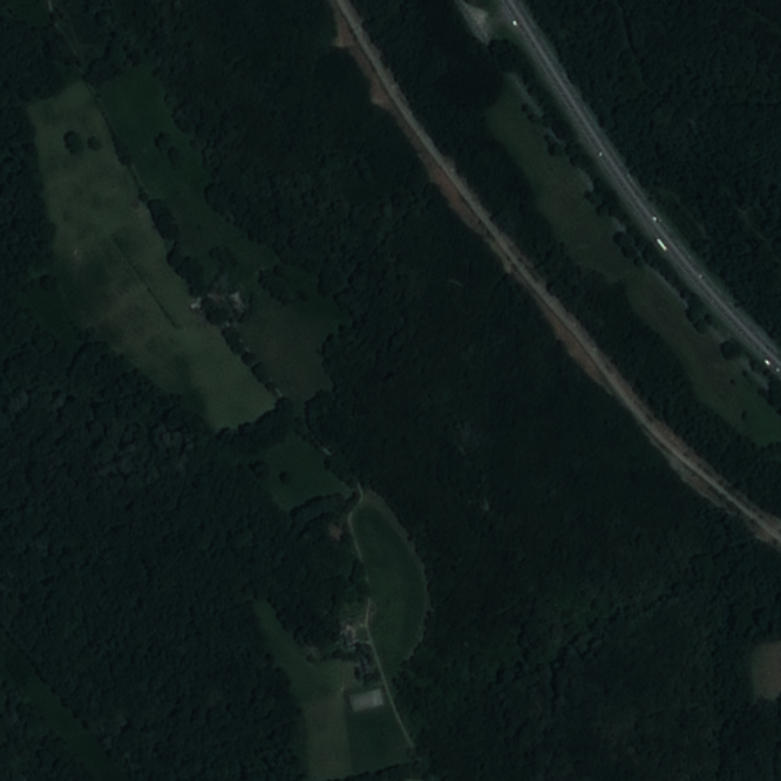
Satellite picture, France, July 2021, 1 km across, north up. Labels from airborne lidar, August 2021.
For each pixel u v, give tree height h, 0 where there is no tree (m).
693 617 26
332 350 22
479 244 18
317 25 15
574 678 26
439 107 22
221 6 15
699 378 0
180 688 30
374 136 11
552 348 14
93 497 22
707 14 20
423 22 22
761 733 27
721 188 26
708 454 19
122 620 20
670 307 0
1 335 8
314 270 22
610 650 26
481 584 14
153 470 27
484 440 18
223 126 17
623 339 10
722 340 0
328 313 0
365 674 16
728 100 25
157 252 0
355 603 18
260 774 22
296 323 0
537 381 9
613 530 18
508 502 11
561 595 22
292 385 0
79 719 21
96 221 0
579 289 23
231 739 29
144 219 0
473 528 15
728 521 25
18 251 19
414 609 0
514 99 0
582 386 10
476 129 17
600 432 10
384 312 32
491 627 14
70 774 19
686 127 18
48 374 22
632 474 15
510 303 10
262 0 16
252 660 27
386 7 18
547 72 0
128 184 0
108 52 8
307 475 0
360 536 0
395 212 21
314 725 0
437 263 14
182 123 24
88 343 14
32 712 21
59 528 29
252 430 20
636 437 13
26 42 24
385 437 15
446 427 9
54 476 18
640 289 0
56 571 29
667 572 19
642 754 22
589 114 0
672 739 25
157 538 22
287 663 0
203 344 0
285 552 25
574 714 24
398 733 0
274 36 18
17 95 20
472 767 13
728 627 11
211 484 27
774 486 13
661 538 11
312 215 25
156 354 0
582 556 12
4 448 20
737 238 22
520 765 10
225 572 28
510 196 14
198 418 13
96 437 7
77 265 0
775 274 11
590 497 13
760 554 21
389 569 0
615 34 20
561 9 15
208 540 20
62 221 0
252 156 16
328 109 11
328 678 0
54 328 0
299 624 21
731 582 29
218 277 9
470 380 13
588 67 25
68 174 0
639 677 21
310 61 10
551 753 15
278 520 25
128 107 0
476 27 0
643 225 0
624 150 23
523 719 21
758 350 0
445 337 20
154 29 7
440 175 0
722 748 25
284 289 9
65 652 23
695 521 12
